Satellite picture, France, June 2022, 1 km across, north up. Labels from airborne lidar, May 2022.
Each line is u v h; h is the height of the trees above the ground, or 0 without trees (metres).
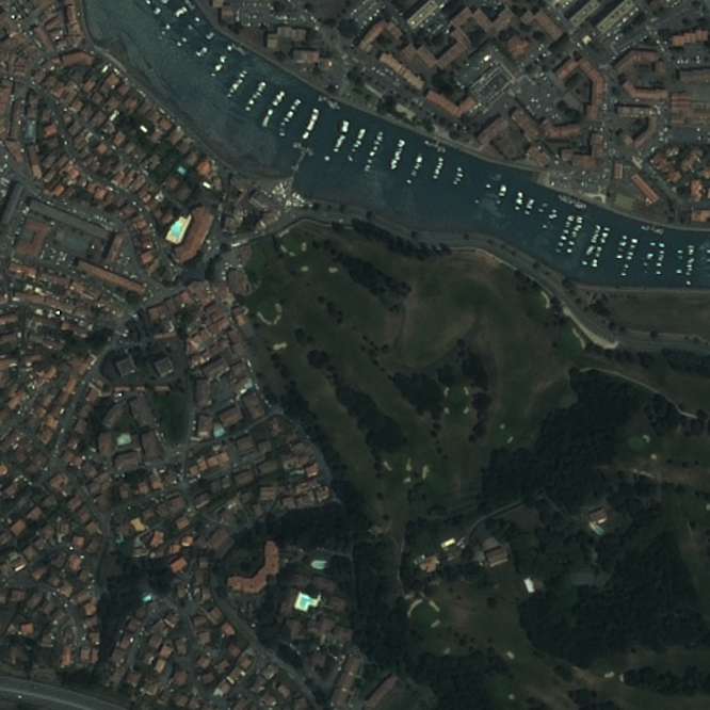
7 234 0
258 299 0
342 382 16
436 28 7
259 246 0
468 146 0
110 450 0
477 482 0
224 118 0
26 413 0
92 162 0
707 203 0
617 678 0
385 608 22
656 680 17
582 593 22
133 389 12
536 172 0
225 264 0
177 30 0
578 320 0
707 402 0
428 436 0
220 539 0
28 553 0
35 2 0
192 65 0
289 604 0
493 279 0
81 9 0
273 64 0
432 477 0
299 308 0
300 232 0
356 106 0
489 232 0
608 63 0
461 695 20
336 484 19
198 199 0
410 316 0
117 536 6
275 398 13
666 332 0
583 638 20
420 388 17
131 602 19
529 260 0
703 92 0
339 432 0
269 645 28
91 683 8
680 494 16
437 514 10
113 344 0
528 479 25
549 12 0
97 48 0
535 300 0
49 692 0
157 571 15
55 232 0
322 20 8
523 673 0
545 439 12
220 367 0
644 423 0
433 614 0
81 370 0
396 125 0
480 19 0
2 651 5
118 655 0
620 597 16
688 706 0
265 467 0
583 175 0
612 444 22
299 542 17
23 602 8
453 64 8
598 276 0
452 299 0
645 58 0
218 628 9
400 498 0
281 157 0
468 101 0
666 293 0
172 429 0
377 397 0
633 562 30
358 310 0
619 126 0
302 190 0
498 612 0
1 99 0
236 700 8
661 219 0
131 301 9
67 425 0
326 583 0
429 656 14
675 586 22
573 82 9
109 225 0
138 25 0
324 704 12
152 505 9
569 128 0
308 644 13
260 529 22
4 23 0
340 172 0
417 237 11
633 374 0
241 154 0
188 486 0
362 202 0
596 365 0
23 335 0
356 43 7
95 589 0
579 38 0
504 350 0
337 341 0
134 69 0
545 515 15
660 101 0
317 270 0
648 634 24
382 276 19
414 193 0
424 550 0
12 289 0
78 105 0
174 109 0
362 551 17
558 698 0
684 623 21
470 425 0
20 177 0
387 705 0
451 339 0
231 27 10
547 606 24
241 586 0
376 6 0
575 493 21
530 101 0
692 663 0
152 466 0
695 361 23
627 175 0
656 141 0
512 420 0
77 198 7
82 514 0
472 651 9
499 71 0
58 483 0
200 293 0
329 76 0
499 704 0
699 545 0
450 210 0
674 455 0
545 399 0
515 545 30
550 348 0
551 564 33
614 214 0
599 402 18
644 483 15
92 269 0
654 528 29
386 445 23
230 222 0
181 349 0
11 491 0
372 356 7
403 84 0
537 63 8
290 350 0
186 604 13
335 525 8
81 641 0
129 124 8
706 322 0
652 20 0
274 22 0
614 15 0
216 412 0
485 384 16
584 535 21
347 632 0
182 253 0
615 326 14
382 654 22
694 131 0
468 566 9
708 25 13
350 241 0
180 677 0
